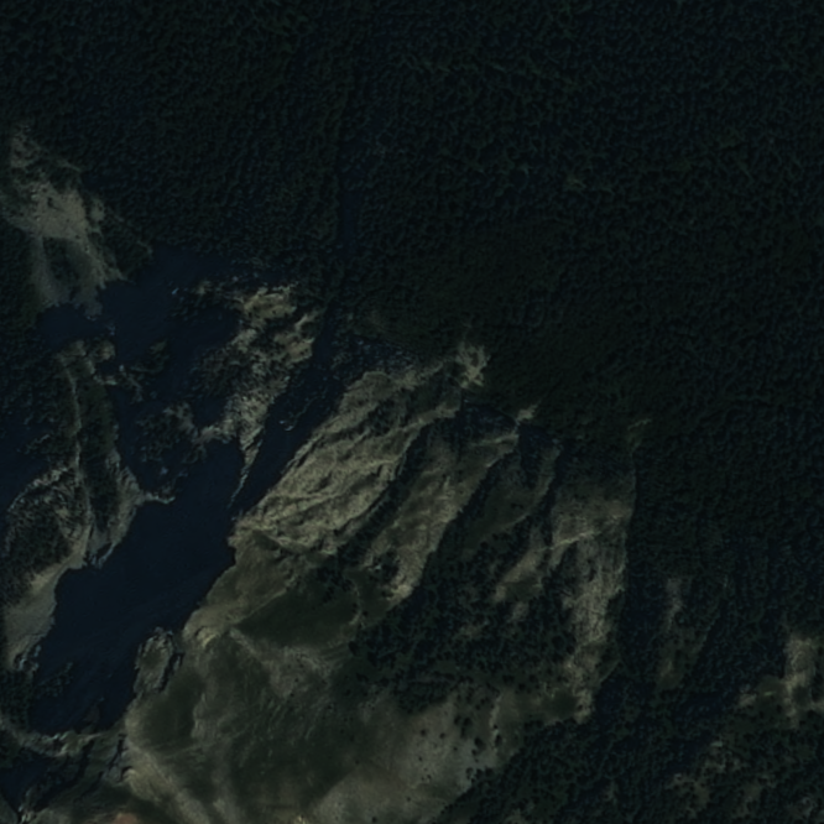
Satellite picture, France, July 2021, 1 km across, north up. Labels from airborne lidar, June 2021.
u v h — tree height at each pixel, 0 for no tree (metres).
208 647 0
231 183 30
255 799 0
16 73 22
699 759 7
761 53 11
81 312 0
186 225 12
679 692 10
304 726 0
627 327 14
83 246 0
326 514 0
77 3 19
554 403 8
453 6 30
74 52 31
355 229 16
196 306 14
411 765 0
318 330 13
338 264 9
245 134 24
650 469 11
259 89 20
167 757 0
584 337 9
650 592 17
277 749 0
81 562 0
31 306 7
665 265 20
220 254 22
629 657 11
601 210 17
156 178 26
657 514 21
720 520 16
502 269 22
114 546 0
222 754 0
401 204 23
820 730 17
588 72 31
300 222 24
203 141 17
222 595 0
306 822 0
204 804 0
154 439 9
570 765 22
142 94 14
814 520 31
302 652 0
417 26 19
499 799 9
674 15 28
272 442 0
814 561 13
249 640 0
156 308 0
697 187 14
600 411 16
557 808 10
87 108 31
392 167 18
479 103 8
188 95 22
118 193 25
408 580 0
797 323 27
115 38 13
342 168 24
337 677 0
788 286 12
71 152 21
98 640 0
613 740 15
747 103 18
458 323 18
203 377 11
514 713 0
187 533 0
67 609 0
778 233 32
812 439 33
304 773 0
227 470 0
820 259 35
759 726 12
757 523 17
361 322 8
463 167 24
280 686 0
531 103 9
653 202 15
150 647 0
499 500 0
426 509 0
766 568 14
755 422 26
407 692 8
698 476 10
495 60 13
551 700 0
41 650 0
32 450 9
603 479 7
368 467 0
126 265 15
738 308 29
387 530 0
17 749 0
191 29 15
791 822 13
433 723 0
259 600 0
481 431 11
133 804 0
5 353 19
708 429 17
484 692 0
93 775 0
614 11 31
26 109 22
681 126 23
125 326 0
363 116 13
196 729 0
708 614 12
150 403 0
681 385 18
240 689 0
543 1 28
